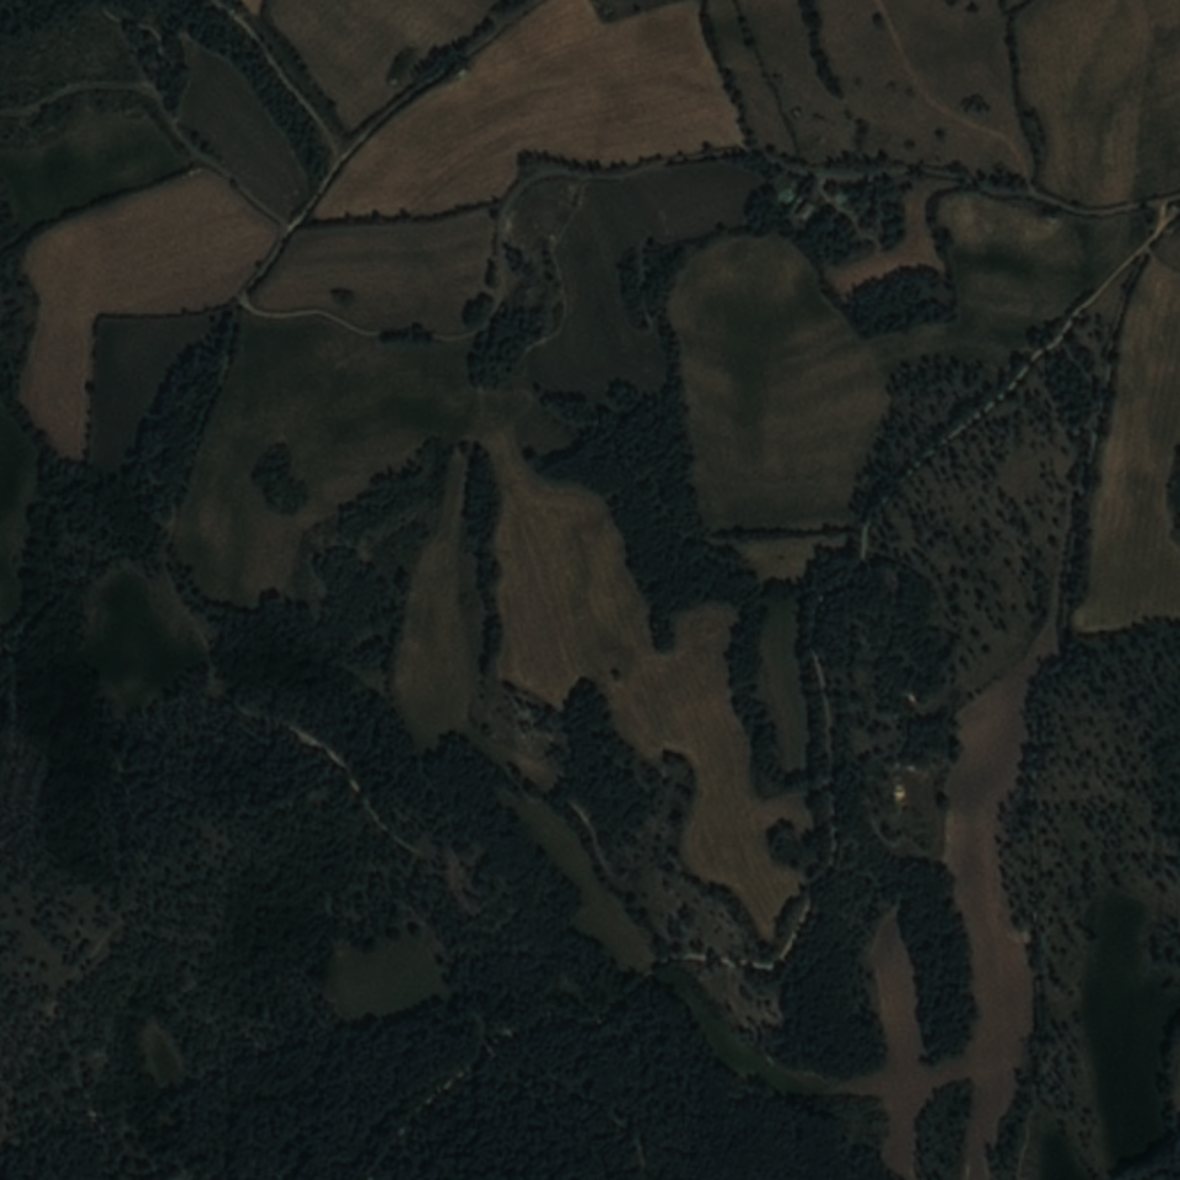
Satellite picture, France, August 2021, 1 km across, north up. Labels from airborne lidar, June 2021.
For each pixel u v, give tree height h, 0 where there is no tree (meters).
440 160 0
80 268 0
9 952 7
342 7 0
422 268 0
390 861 10
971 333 0
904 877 12
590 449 14
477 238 0
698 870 0
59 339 0
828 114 0
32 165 0
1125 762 19
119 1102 13
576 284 0
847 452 0
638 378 0
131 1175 7
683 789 7
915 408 10
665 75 0
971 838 0
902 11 0
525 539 0
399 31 0
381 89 0
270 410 0
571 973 19
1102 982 0
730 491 0
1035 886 16
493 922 6
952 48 0
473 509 10
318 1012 15
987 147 0
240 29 9
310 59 0
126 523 14
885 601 8
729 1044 0
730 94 7
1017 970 0
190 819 9
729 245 0
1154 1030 0
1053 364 7
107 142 0
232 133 0
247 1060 15
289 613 14
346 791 13
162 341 0
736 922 10
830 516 0
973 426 7
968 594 6
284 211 0
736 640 11
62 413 0
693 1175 16
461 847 12
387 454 0
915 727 9
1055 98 0
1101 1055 0
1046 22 0
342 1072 18
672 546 16
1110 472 0
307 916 16
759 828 0
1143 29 0
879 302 14
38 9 11
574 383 0
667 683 0
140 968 12
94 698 11
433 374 0
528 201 0
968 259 0
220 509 0
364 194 0
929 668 14
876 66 0
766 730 14
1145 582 0
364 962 0
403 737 16
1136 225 0
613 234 0
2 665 13
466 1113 5
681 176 0
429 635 0
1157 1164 16
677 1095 12
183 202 0
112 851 11
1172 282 0
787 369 0
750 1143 17
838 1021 18
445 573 0
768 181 10
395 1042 18
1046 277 0
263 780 8
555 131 0
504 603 0
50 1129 8
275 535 0
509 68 0
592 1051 16
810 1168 11
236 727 11
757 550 0
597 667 0
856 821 12
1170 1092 17
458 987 9
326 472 0
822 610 10
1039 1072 9
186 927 11
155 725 13
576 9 0
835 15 0
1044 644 0
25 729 17
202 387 12
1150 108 0
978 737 0
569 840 0
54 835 11
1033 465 0
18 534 0
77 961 8
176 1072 0
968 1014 13
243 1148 16
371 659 16
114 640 0
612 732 9
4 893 9
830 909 14
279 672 16
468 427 0
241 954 11
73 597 12
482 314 14
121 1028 8
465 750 11
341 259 0
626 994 10
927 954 17
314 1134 17
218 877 10
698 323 0
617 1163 12
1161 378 0
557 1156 17
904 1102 0
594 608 0
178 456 17
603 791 15
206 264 0
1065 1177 0
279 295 0
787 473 0
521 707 13
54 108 7
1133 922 0
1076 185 0
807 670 11
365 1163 10
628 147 0
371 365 0
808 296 0
